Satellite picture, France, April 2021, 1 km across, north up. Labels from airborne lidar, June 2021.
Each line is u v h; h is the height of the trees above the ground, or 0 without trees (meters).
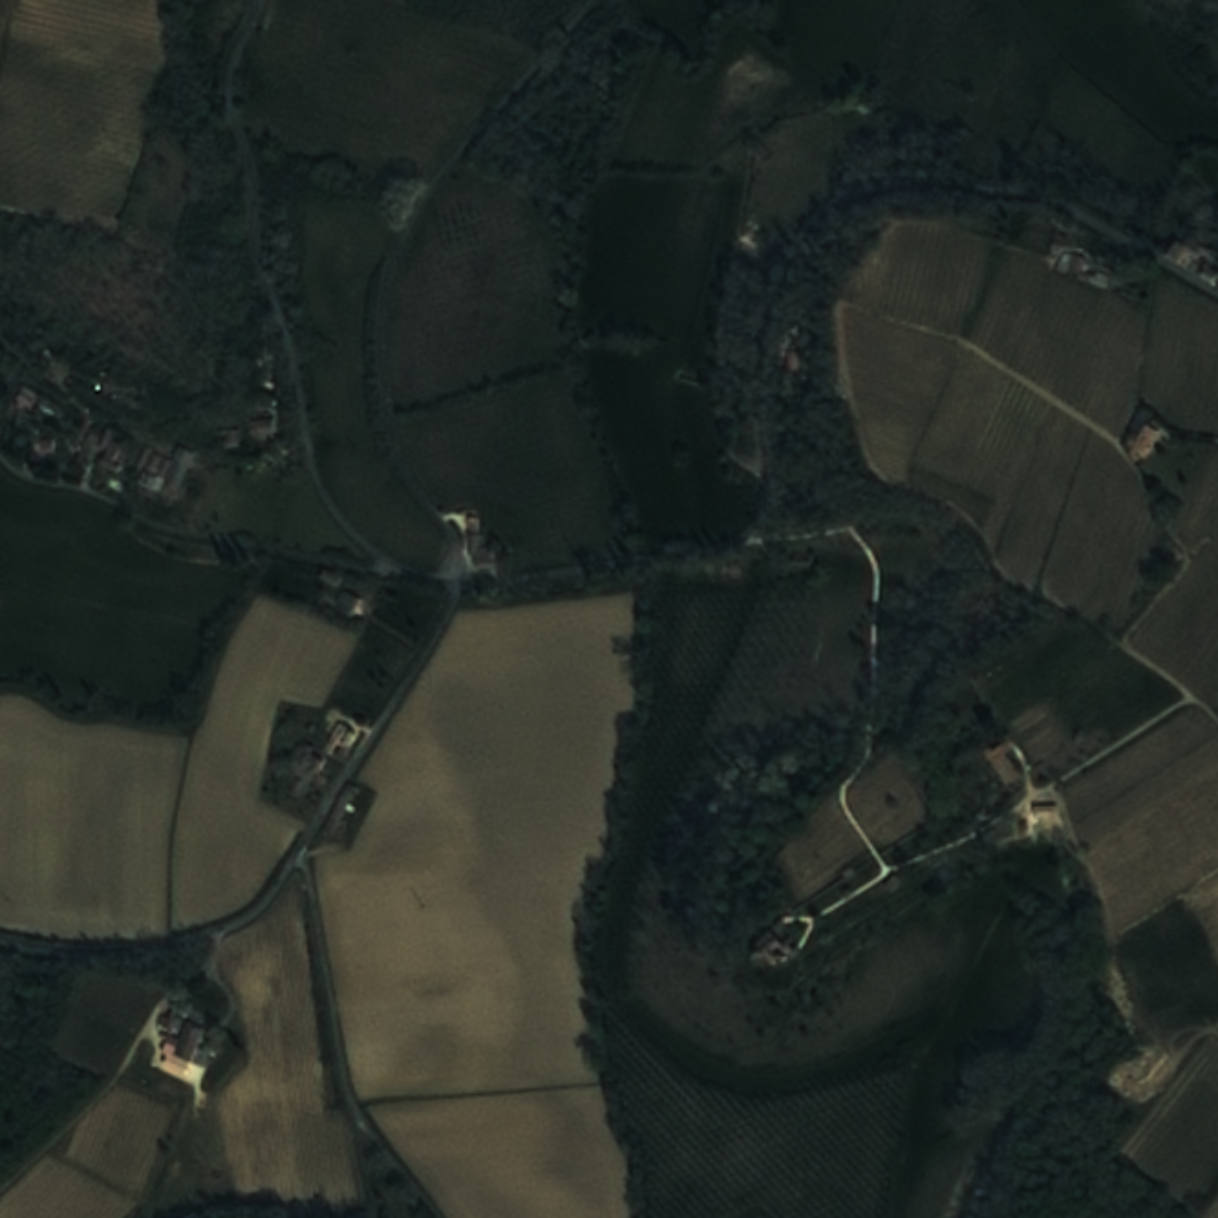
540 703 0
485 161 10
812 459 13
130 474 7
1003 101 0
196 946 20
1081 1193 18
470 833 0
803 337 19
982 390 0
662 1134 19
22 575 0
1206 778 0
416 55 0
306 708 0
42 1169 0
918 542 11
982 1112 22
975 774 7
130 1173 0
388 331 0
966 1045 0
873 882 0
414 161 0
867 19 0
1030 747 0
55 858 0
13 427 12
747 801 22
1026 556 0
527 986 0
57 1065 9
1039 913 17
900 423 0
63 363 17
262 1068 0
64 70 0
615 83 8
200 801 0
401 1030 0
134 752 0
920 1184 0
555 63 19
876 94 13
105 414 9
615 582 13
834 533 14
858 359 0
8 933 7
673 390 0
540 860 0
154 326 8
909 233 0
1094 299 0
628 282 0
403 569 0
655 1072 21
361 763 0
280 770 11
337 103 0
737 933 19
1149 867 0
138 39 0
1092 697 0
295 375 22
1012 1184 26
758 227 0
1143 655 0
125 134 0
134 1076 0
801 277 24
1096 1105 20
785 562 20
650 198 0
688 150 0
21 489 0
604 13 6
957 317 0
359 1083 0
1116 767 0
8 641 0
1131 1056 10
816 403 18
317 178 13
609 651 0
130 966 21
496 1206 0
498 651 0
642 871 11
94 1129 0
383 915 0
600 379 0
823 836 0
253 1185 0
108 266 12
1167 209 19
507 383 10
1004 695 0
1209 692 0
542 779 0
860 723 12
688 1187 19
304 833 0
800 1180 19
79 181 0
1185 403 0
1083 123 0
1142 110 0
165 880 0
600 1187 0
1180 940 0
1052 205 16
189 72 17
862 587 0
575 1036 0
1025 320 0
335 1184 0
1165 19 12
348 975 0
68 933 0
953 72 0
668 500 0
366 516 0
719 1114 22
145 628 0
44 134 0
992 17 0
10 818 0
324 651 0
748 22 14
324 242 0
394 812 0
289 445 13
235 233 15
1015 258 0
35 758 0
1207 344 0
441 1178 0
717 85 0
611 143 15
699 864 22
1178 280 0
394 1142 0
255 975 0
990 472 0
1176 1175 0
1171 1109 0
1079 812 0
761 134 7
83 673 0
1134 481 0
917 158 20
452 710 0
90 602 0
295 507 0
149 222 0
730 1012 0
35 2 0
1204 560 0
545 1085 0
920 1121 0
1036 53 0
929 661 16
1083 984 20
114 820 0
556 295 11
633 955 13
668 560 13
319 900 0
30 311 14
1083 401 0
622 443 0
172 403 7
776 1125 18
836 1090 21
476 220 13
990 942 0
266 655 0
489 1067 0
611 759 0
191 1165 0
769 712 10
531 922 0
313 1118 0
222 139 14
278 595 8
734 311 19
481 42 0
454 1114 0
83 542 0
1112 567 0
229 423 20
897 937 14
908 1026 0
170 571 0
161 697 0
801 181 0
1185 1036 0
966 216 14
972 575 13
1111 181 15
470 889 0
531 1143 0
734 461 11
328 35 0
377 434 6
